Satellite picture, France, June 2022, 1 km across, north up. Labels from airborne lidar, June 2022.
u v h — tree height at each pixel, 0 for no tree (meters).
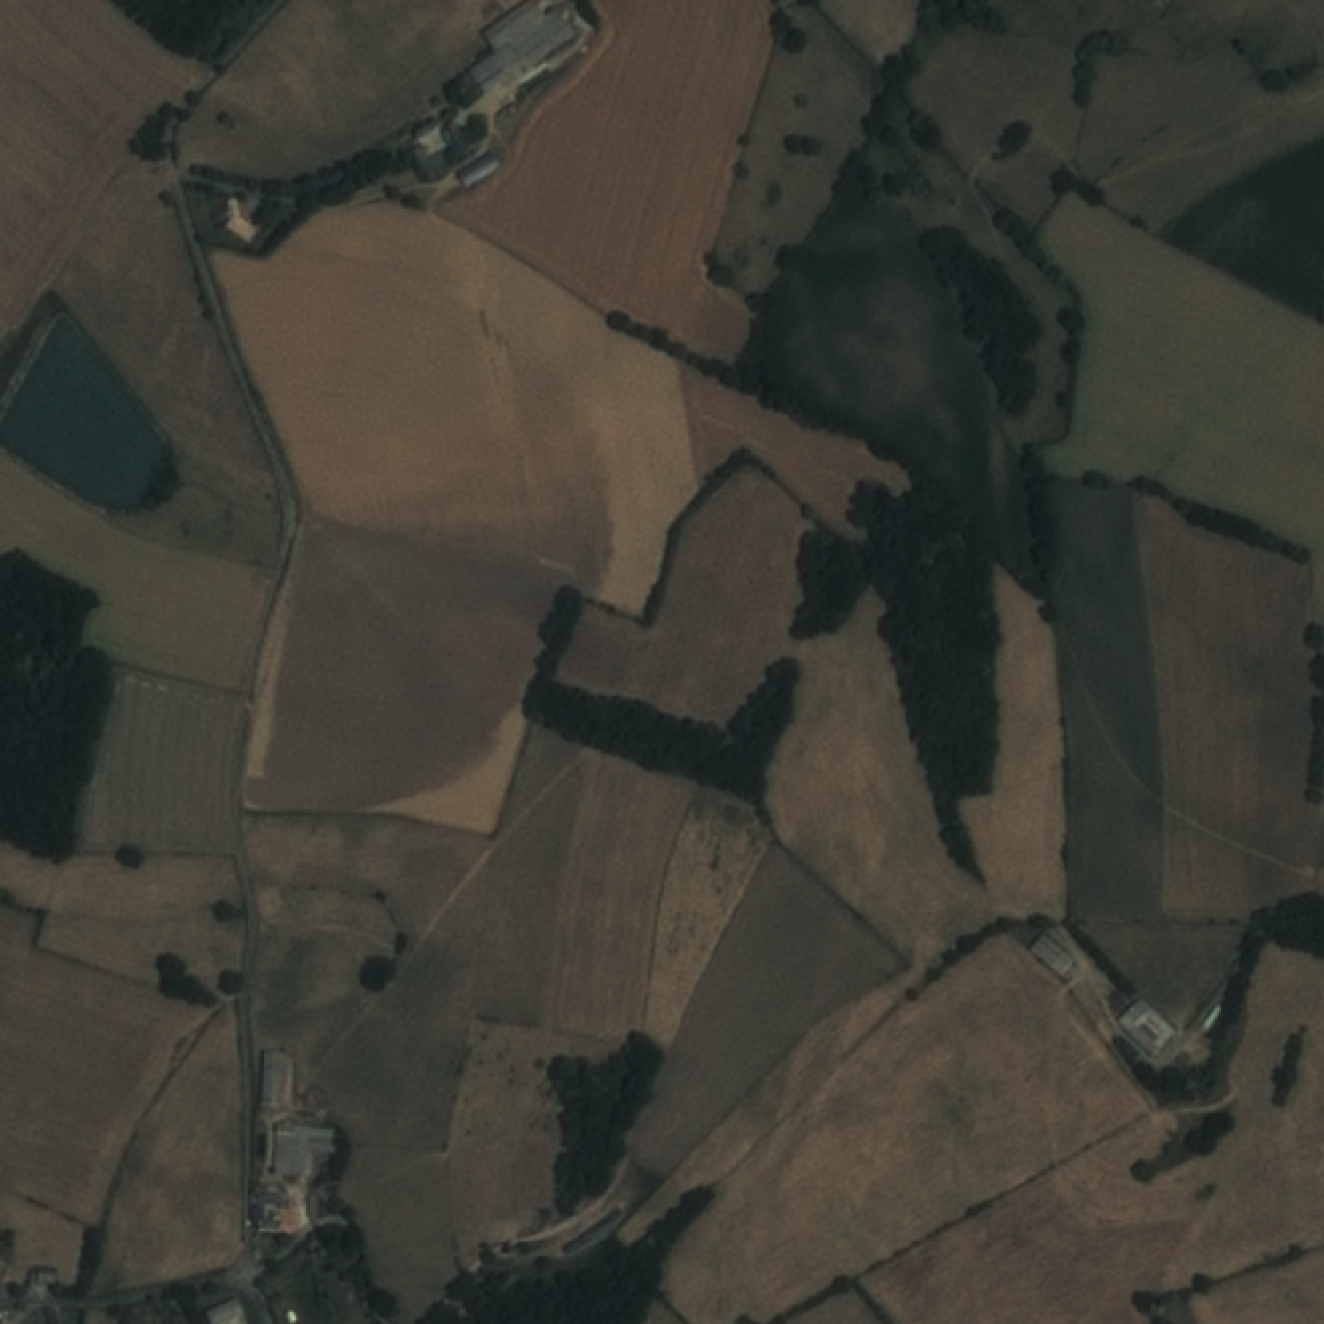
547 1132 0
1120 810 0
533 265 0
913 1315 0
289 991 0
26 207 0
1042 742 0
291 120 0
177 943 0
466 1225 0
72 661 16
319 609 0
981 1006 0
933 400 0
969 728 19
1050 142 0
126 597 0
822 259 0
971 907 0
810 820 0
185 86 0
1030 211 0
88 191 0
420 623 0
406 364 0
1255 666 0
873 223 0
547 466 0
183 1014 0
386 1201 0
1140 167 0
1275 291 0
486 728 0
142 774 0
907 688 13
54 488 0
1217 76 0
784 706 13
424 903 0
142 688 0
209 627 0
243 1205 0
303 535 0
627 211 0
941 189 0
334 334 0
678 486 0
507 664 0
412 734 0
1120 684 0
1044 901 0
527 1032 0
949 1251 0
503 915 0
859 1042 0
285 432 0
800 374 0
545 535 0
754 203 0
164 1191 0
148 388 0
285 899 0
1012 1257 0
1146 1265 0
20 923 0
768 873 0
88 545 0
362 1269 10
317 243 0
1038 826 0
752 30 0
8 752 19
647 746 18
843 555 17
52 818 20
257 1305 0
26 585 17
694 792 0
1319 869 0
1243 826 0
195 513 0
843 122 0
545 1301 11
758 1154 0
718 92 0
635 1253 9
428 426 0
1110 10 0
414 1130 0
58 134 0
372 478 0
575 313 0
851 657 0
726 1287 0
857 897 0
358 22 0
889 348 0
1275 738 0
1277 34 0
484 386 0
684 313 0
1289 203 0
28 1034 0
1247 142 0
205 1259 0
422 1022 0
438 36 0
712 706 0
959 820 11
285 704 0
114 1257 0
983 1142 0
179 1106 0
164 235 0
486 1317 12
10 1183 0
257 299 0
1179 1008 0
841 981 0
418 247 0
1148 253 0
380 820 0
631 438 0
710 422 0
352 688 0
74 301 0
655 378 0
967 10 14
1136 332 0
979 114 0
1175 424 0
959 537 16
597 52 0
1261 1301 0
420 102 0
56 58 0
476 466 0
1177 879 0
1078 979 0
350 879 0
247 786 0
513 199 0
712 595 0
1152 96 0
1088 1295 0
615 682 0
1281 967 0
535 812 0
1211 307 0
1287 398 0
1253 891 0
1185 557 0
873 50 0
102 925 0
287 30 0
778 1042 0
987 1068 0
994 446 0
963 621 15
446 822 0
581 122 0
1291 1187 0
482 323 0
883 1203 0
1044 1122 0
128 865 16
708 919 0
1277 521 0
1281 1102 8
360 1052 0
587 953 0
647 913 0
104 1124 0
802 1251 0
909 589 19
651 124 0
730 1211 0
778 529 0
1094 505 0
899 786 0
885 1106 0
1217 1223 0
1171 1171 0
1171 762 0
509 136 0
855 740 0
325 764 0
